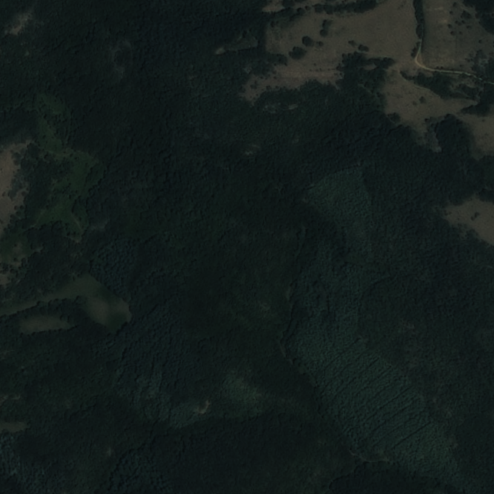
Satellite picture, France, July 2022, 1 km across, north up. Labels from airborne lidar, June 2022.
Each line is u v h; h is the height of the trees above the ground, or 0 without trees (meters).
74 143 14
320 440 8
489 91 9
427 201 10
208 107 7
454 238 7
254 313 8
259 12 16
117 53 10
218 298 16
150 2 17
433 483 7
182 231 5
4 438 15
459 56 0
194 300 15
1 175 0
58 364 17
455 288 9
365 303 7
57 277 15
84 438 13
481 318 7
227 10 17
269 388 10
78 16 17
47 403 12
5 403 9
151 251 12
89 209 11
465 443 12
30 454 17
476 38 0
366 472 15
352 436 15
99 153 15
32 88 19
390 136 13
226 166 11
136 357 23
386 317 9
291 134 11
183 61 11
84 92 23
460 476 15
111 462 17
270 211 16
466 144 11
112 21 25
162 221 10
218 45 11
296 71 0
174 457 11
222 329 12
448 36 0
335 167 11
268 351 6
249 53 16
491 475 9
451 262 11
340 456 10
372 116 17
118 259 28
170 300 19
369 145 15
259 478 7
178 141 12
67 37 16
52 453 11
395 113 9
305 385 11
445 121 9
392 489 18
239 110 7
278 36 0
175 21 17
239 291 8
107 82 11
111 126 9
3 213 0
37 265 11
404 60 0
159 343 17
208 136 9
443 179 12
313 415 10
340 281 8
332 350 12
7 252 0
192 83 11
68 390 9
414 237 6
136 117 15
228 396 6
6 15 12
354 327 9
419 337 6
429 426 11
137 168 14
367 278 6
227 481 12
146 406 15
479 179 10
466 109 12
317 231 9
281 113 10
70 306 19
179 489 15
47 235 16
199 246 8
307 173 11
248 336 10
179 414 16
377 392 8
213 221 11
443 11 0
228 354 11
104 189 14
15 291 8
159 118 24
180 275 9
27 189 7
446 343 6
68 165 14
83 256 9
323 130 10
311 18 0
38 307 10
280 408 10
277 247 16
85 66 16
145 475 22
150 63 18
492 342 7
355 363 9
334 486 14
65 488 10
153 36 12
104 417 16
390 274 10
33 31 7
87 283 0
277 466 11
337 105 10
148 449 14
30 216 14
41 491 17
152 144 14
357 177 13
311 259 7
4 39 8
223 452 13
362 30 0
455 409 5
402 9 0
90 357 12
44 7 13
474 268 6
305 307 12
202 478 10
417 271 10
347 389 13
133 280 11
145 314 12
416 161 10
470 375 9
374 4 11
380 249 7
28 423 9
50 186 15
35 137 12
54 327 0
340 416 16
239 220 13
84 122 21
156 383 13
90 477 14
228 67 11
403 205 9
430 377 12
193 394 6
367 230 8
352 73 10
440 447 10
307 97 11
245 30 16
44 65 9
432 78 9
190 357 24
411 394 10
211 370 13
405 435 13
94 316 0
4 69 14
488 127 0
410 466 14
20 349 9
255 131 12
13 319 18
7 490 13
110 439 11
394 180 12
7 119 13
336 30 0
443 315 9
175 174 10
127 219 5
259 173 18
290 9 14
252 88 7
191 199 13
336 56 0
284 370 10
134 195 10
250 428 14
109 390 6
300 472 10
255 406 10
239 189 16
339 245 13
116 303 0
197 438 14
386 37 0
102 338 20
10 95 15
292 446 17
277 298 9
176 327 23
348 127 19
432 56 0
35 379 11
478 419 10
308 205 10
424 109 0
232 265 17
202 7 14
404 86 0
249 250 12
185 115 14
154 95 19
